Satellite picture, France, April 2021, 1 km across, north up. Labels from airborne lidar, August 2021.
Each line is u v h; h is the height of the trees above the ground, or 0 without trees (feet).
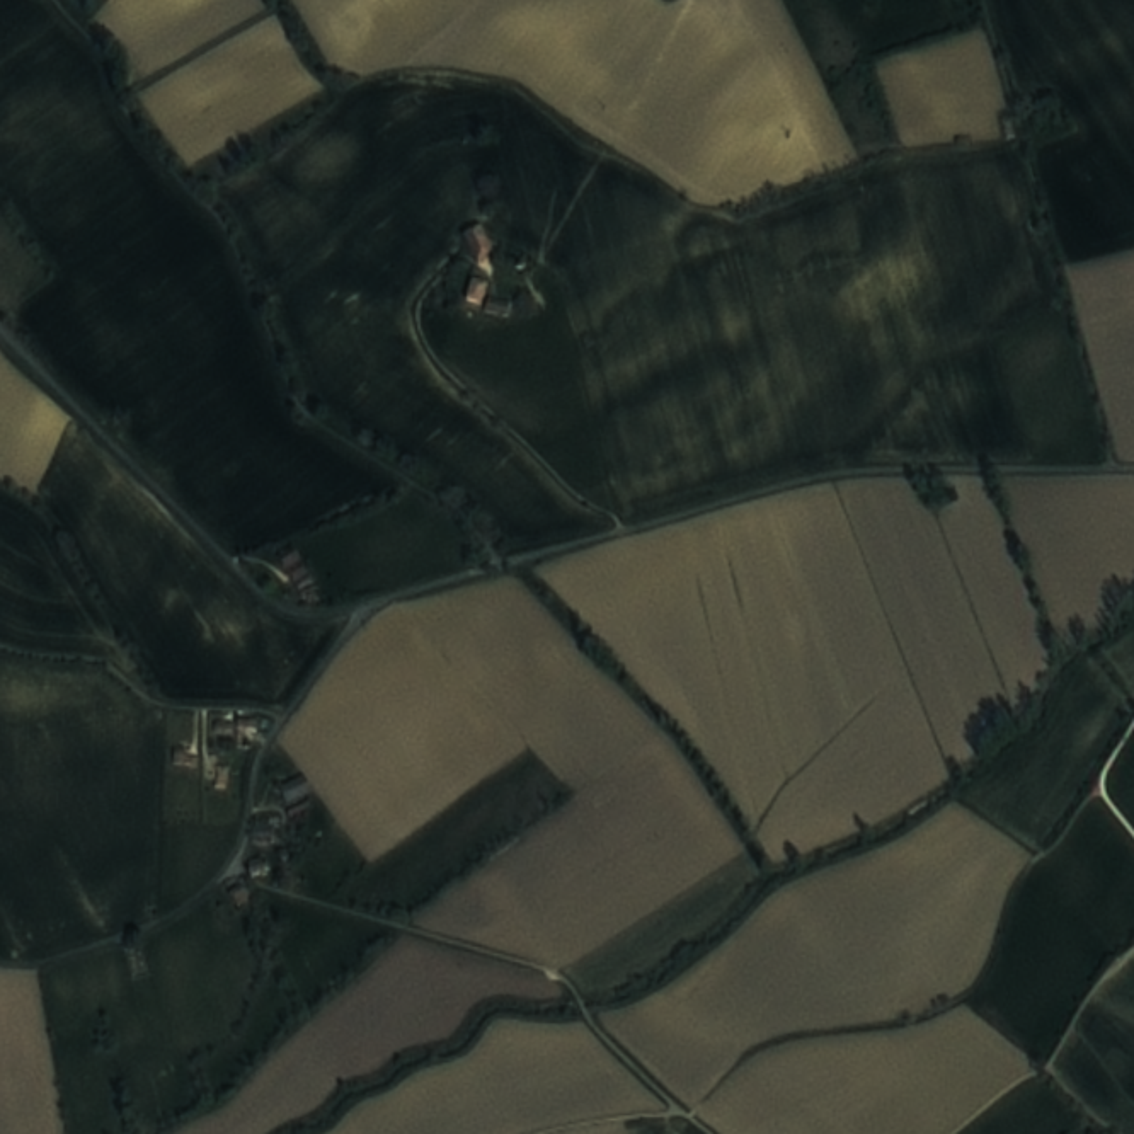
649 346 0
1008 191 0
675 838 0
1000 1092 0
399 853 0
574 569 0
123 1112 56
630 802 0
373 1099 0
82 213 0
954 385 0
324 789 0
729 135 0
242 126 0
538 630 0
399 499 26
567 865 0
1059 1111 0
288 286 0
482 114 0
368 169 0
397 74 0
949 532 0
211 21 0
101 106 0
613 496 0
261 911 39
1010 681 0
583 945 0
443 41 0
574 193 0
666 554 0
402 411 0
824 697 0
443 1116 0
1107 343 0
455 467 0
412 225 0
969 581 0
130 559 0
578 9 0
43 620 0
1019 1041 0
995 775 0
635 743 0
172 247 0
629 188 0
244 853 0
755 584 0
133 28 0
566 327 0
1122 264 0
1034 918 0
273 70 0
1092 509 0
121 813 0
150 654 0
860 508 0
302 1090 0
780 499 0
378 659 0
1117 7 0
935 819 0
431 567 0
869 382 0
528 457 0
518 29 0
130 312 0
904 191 0
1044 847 0
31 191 0
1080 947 0
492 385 0
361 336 0
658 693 0
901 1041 0
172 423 0
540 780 0
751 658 0
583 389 0
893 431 0
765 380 0
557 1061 0
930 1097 0
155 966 0
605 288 0
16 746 0
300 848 30
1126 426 0
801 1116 0
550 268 0
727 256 0
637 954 0
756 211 46
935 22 0
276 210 0
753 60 0
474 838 0
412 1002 0
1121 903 0
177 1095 0
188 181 40
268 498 0
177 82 0
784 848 0
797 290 0
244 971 0
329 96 0
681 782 0
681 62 0
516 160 0
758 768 0
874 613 0
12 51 0
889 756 0
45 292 0
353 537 0
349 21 0
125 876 0
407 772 0
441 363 0
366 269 0
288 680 0
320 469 0
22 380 0
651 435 0
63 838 0
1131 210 0
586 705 0
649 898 0
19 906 0
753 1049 0
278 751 0
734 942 0
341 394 0
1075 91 0
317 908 0
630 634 0
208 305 0
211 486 0
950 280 0
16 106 0
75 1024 0
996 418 0
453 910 0
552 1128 0
